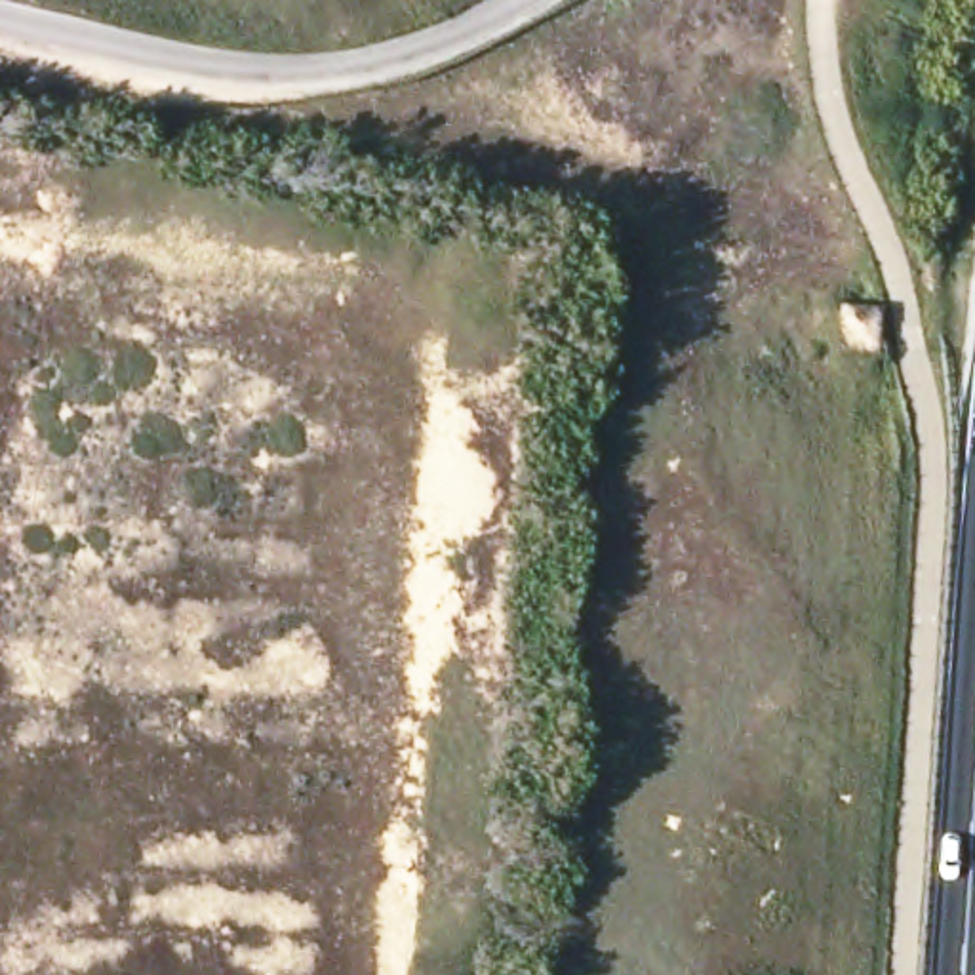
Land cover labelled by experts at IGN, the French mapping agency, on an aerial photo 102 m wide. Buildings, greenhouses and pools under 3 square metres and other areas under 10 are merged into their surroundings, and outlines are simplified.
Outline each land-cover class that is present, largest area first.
<instances>
[{"label":"herbaceous vegetation","instance_id":"1","mask_svg":"<svg viewBox=\"0 0 975 975\"><path fill-rule=\"evenodd\" d=\"M122 30L240 53L362 50L449 23L484 0H19ZM598 69H617V88L625 91L628 107L598 99L590 110V118L625 126V133L640 141V164L617 168L594 190L590 206H602L609 213V255L621 267L625 305L613 339L617 354L606 362L602 373L609 404L590 434L594 465L579 480L587 503L598 510L587 598L575 621V647L590 686L587 716L598 724L594 750L587 754L594 785L575 807L564 804V819L556 826V838L567 846V857L583 861L587 880L575 891L571 925L556 945L548 975H891L895 868L910 727L922 438L903 362L895 366L880 347H853L842 328L846 305L857 308V316H876L880 301L887 297V278L872 248V236L849 198L846 175L834 160L819 114L807 42V0H564L552 11L529 19L526 27L427 72L267 103L282 118L377 114L381 122H396L430 110L446 114L442 129H434L442 145H453L472 133H480L484 141L522 137V114L491 110L488 99H476L468 84L472 76L495 80L499 88H533L537 76H556L564 88H571L575 80H590ZM331 190H293L289 198L263 202L240 183L175 190L160 183L156 156L133 149L114 152L107 168H80V183L69 194L76 198V221L126 217L133 232H152L164 221L198 217L209 240L278 251H289L293 244H308L312 251H358L354 293L347 305L320 297L312 312L289 316L267 312L255 297H248L240 308L217 316L225 339L217 350H232L236 366L255 369L274 385H286L301 400V408L328 427V442L320 461L274 468L263 491L251 495L232 476H221L213 468L187 472V495L194 507H209L217 514L213 526L221 541L274 537L297 545L312 560L308 567L289 575H263L244 560H229L225 571L236 587V602H274L278 617L240 621L209 636L202 644L206 659H213L221 670L248 667L267 651V644L286 640L293 628L305 625L316 632L328 670L362 705H377V689L385 686V678L400 670V663L369 659L362 651L369 636V621H362V613L381 602V590L369 587L362 575H350L347 564L358 556L354 526L369 522V499L385 495L392 484L388 465L419 461L427 427V392L419 381L423 339H446V366L457 373H495L510 358H526V366L541 358L545 335L526 316H507V301L518 293L526 267L533 259H560V244L541 240L533 248L514 251L510 244H484L476 225H465L457 236L434 248L423 244L411 221L396 225L392 217H373L369 209H362V229H350L347 221L328 213L324 202ZM956 217L937 232V259L922 240H903L933 373L948 366V388L960 385L956 278L975 274V179L952 190ZM156 366L141 343L95 331L80 316V305L72 297L53 293L46 301V312H38L30 289L23 286L15 297L0 301V453L8 449L19 419H34L38 438L57 457H72L80 438L91 430V419H61V404H110L133 388H145ZM137 453L194 457L175 419L145 411L141 430L133 438ZM267 427L263 453L305 449V427L289 415H274L259 419ZM23 545L30 552L76 556L80 548H110V529L57 537L50 526H30L23 533ZM442 708L423 727L427 849L411 865V872L419 876V906L415 956L408 975H449V960L438 948H461L465 929L472 925L468 910L480 899L495 895L507 903L503 872L518 861L514 838L522 834L499 815L503 796L495 788L510 750L507 731H491V708L476 697L472 659L446 655L434 674ZM168 712V701L160 693H110L99 682H88L69 697V705L57 708V727H88V743L23 746L15 731L23 724V693L11 705H0V956L11 922H23L42 906L69 910L72 899L95 876L126 868L133 872L145 861L149 846L183 834H213L217 842H232L289 826L293 842L282 865H225V891L286 895L293 903L312 906L316 922L293 929V945L316 948V964L308 975H377V891L388 876L385 830L392 823L388 788L396 781V769L404 766L396 735L377 739L373 746H347L343 739L316 735L308 743H270L255 731L248 735V746H225L206 735H194L190 743L171 746L141 731L145 716ZM91 975H251L248 967H236L217 945H194L187 960H179L175 948L152 941L149 948L126 952L122 960L91 964Z\"/></svg>","mask_w":975,"mask_h":975},{"label":"bare soil","instance_id":"2","mask_svg":"<svg viewBox=\"0 0 975 975\"><path fill-rule=\"evenodd\" d=\"M468 84L476 99H488L491 110L522 114V137L552 149H575L590 164L617 168L640 164V141L625 133V126L590 118V110L598 99L628 107L625 91L617 88V69H598L590 80H575L571 88H564L556 76H537L533 88H499L495 80L472 76ZM30 122V103H19L0 122V301L15 297L23 286L30 289L38 312H46V301L53 293L72 297L80 305V316L95 331L141 343L156 366L145 388H133L110 404H61V419H91V430L80 438L72 457H57L38 438L34 419H19L8 449L0 453V705H11L23 693V724L15 731L23 746L88 743V727H57V708L69 705V697L88 682H99L110 693H160L168 701V712L145 716L141 731L171 746L190 743L194 735H206L225 746H248V735L255 731L270 743H308L316 735L343 739L347 746H373L377 739L396 735V720L411 705L408 667L415 659V632L404 617L411 598L404 564L411 556L419 461L388 465L392 484L385 495L369 499V522L354 526L358 556L347 564L350 575H362L369 587L381 590V602L362 613V621H369V636L362 651L369 659L400 663V670L385 678V686L377 689V705H362L328 670L316 632L305 625L293 628L286 640L267 644V651L248 667L221 670L213 659H206L202 644L209 636L240 621L278 617L274 602H236V587L225 571L229 560H244L263 575H289L308 567L312 560L297 545L274 537L221 541L213 526L217 514L209 507H194L187 495V472L213 468L221 476H232L251 495L263 491L274 468L320 461L328 442V427L301 408V400L286 385H274L255 369L236 366L232 350H217L225 339L217 316L240 308L248 297H255L267 312L289 316L312 312L320 297L347 305L354 293L358 251H312L308 244H293L289 251H278L209 240L198 217L164 221L152 232H133L126 217L76 221V198L69 194L80 183V168L65 149H23L19 129ZM145 411L175 419L194 457L137 453L133 438L141 430ZM274 415H289L305 427V449L263 453L267 427L259 419ZM30 526H50L57 537L110 529V548H80L76 556L30 552L23 545V533ZM274 183L293 190H324L328 168L308 164V171L297 175L293 164L274 156ZM293 842L289 826L232 842H217L213 834H183L149 846L145 861L133 872L126 868L95 876L72 899L69 910L42 906L23 922H11L0 956V975H91V964L122 960L126 952L149 948L152 941L175 948L179 960H187L194 945H217L236 967H248L251 975H308L316 964V948L293 945V929L316 922L312 906L293 903L286 895L225 891V865H282Z\"/></svg>","mask_w":975,"mask_h":975},{"label":"brushwood","instance_id":"3","mask_svg":"<svg viewBox=\"0 0 975 975\"><path fill-rule=\"evenodd\" d=\"M838 69L849 122L903 240H922L937 259V232L956 217L952 190L975 179V0H838ZM19 103H30V122L19 129L23 149H65L80 168H107L114 152L133 149L156 156L160 183L175 190L240 183L263 202L289 198L293 190L274 183V156L293 164L297 175L308 171V164L328 168L324 190H331L324 202L328 213L347 221L350 229H362V209H369L373 217H392L396 225L411 221L423 244L434 248L457 236L465 225H476L484 244H510L514 251L533 248L541 240L560 244V259H533L526 267L518 293L507 301V316H526L545 335L541 358L526 366L518 381L522 392L537 400V415H526L522 423L526 491L537 495L545 518L522 522L514 529V583L507 598V651L514 659V678L503 682L499 697L529 716L510 724L507 731L510 750L495 788L503 796L499 815L522 834L514 838L518 861L503 872L507 903L495 895L480 899L468 910L472 925L465 929L461 948H438L449 960V975H548L556 945L571 925L575 891L587 880L583 861L567 857V846L556 838V826L564 819V804L575 807L594 785L587 754L594 750L598 724L587 716L590 686L575 647V621L587 598L598 510L587 503L579 480L594 465L590 434L609 404L602 373L606 362L617 354L613 339L625 305L621 267L609 255V213L602 206H590L594 190L617 168L590 164L575 149H552L522 137L484 141L480 133H472L453 145H442L434 129H442L446 114L430 110L396 122H381L377 114L282 118L267 103H209L198 95L168 91L137 95L126 84L99 88L84 76L34 61H0V122Z\"/></svg>","mask_w":975,"mask_h":975},{"label":"pervious surface","instance_id":"4","mask_svg":"<svg viewBox=\"0 0 975 975\"><path fill-rule=\"evenodd\" d=\"M564 0H484L449 23L362 50L240 53L122 30L19 0H0V61H34L84 76L99 88L126 84L137 95L168 91L198 95L209 103H267L427 72L526 27L529 19L552 11ZM838 0H807V42L819 114L834 160L846 175L849 198L872 236V248L887 278V297L880 301L876 316L880 347L895 366L903 362L922 438L910 727L895 868L891 975H922L929 899L925 842L933 826L937 781L956 472V442L945 430L933 373L903 240L849 122L838 69ZM526 366V358H510L495 373H457L446 366V339H423L419 381L427 392V427L419 461L411 556L404 564L411 598L404 617L415 632V659L408 667L411 705L396 720V735L404 766L396 769V781L388 788L392 823L385 830L388 876L377 891V975H408L415 956L419 906V876L411 872V865L427 849L423 727L442 708L434 674L446 655L472 659L476 697L491 708V731H507L510 724L529 716L499 697L503 682L514 678V659L507 651V598L514 583V529L522 522L545 518L537 495L526 491L522 423L526 415H537V400L522 392L518 381Z\"/></svg>","mask_w":975,"mask_h":975},{"label":"impervious surface","instance_id":"5","mask_svg":"<svg viewBox=\"0 0 975 975\"><path fill-rule=\"evenodd\" d=\"M960 385L948 388V366L933 373L945 430L956 442V472L937 781L933 826L925 842L929 899L922 975H975V274L956 278Z\"/></svg>","mask_w":975,"mask_h":975},{"label":"building","instance_id":"6","mask_svg":"<svg viewBox=\"0 0 975 975\"><path fill-rule=\"evenodd\" d=\"M842 328L853 347H880L876 316H857V308L846 305Z\"/></svg>","mask_w":975,"mask_h":975}]
</instances>
